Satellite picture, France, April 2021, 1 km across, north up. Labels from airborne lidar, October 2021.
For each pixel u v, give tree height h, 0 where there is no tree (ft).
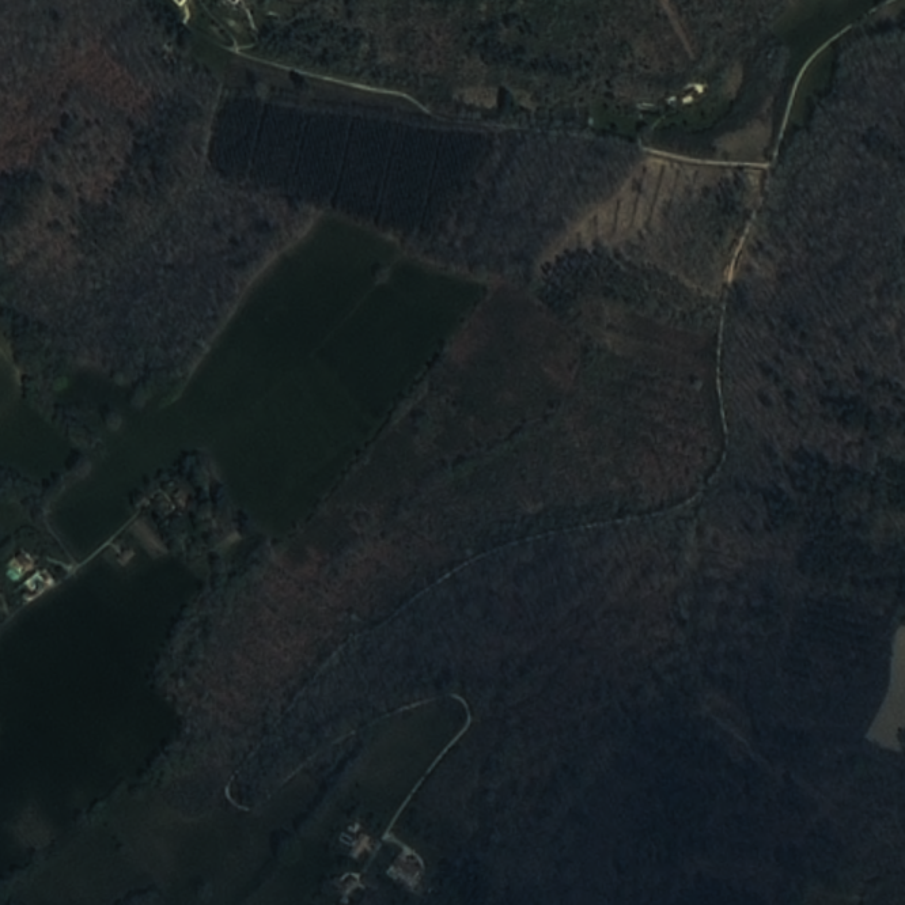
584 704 55
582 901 47
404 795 0
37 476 0
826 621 37
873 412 42
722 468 42
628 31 28
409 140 37
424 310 0
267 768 85
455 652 57
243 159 32
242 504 0
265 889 0
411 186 41
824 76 0
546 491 27
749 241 67
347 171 35
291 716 58
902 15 0
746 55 35
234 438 0
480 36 49
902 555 48
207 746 70
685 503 85
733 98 33
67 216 51
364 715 69
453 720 19
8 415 0
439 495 24
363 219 36
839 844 62
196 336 57
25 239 54
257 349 0
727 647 56
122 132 27
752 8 32
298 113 32
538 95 26
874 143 59
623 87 48
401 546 44
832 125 62
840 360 47
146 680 32
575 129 57
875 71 59
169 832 0
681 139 42
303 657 34
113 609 0
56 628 0
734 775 83
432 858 0
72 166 49
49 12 41
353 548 56
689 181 67
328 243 0
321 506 40
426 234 43
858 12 0
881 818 29
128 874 0
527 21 42
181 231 60
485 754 26
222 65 0
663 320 65
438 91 24
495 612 56
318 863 0
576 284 73
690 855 58
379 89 52
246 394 0
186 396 0
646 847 38
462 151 38
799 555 33
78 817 46
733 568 50
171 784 35
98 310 58
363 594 27
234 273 44
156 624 0
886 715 0
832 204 50
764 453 40
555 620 38
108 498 0
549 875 85
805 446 32
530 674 47
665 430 22
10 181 38
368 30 35
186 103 77
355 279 0
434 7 78
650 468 30
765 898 54
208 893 52
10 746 0
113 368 46
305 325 0
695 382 54
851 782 40
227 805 42
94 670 0
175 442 0
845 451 35
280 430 0
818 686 37
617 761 58
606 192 51
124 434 0
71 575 0
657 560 22
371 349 0
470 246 44
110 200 52
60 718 0
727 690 50
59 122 40
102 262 57
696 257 72
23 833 0
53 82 25
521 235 69
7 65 38
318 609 33
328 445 0
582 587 55
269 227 51
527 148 73
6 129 22
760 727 48
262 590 45
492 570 56
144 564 0
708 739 63
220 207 41
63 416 44
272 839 0
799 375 48
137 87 26
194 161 55
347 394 0
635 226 0
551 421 55
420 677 53
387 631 79
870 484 62
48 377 66
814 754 68
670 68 24
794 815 35
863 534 77
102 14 48
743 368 48
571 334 24
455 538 48
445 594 65
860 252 42
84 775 0
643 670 66
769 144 18
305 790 0
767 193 70
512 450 38
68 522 0
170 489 40
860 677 23
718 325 53
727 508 53
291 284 0
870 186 55
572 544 60
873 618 33
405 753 0
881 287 35
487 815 29
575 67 20
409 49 48
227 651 40
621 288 68
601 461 51
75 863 0
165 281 41
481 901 118
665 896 47
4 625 0
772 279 57
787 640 46
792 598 44
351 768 66
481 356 0
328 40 29
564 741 63
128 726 0
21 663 0
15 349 53
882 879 42
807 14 0
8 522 0
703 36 48
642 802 42
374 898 49
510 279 58
